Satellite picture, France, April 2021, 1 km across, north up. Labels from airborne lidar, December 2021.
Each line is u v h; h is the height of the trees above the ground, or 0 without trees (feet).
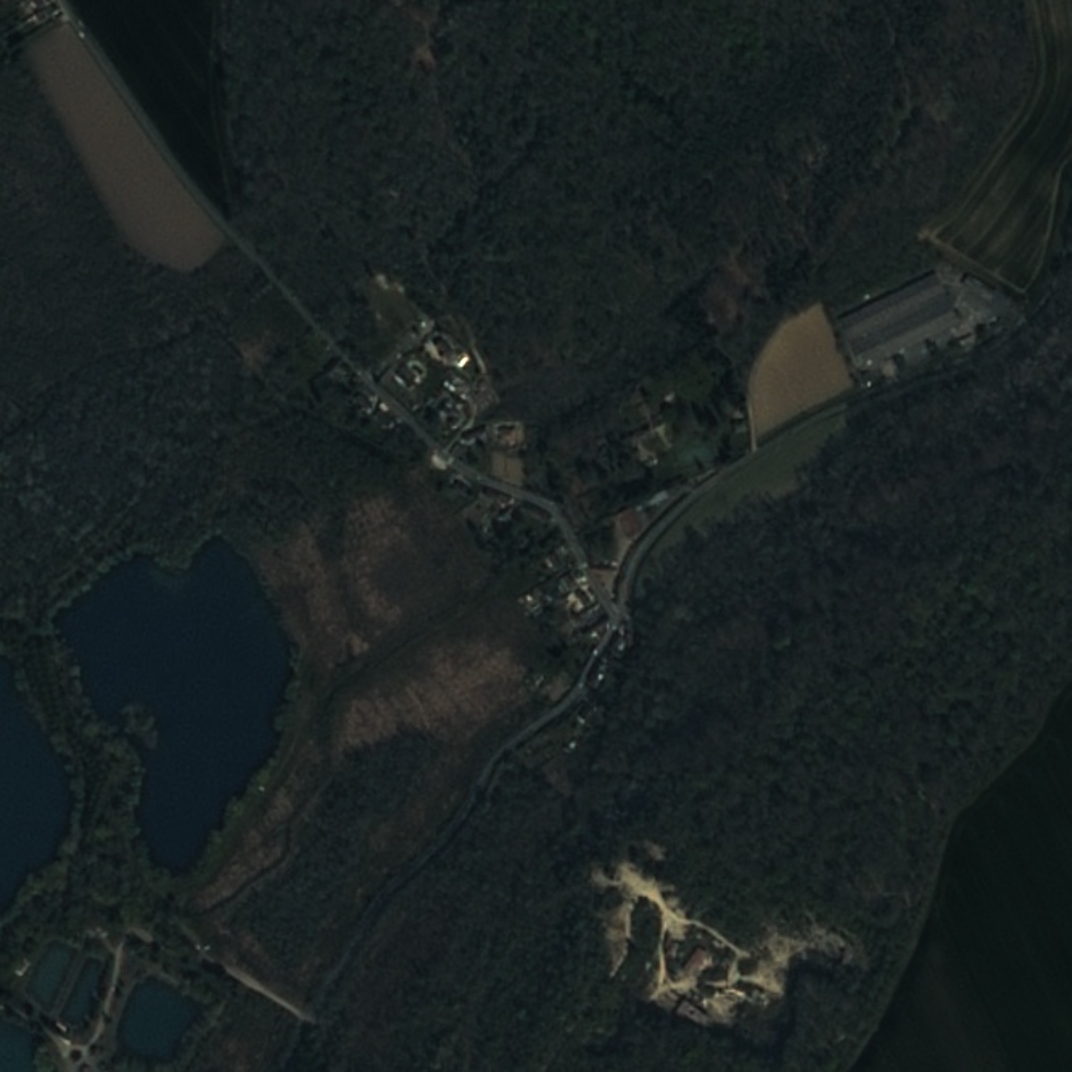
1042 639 70
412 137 48
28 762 0
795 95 60
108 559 49
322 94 65
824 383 0
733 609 58
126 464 65
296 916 38
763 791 85
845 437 0
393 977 41
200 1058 36
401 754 53
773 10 25
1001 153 0
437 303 21
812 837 58
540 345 72
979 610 56
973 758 103
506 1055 33
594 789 41
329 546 27
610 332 29
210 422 51
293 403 63
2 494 32
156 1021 0
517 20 62
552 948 39
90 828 75
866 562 102
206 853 58
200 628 0
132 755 52
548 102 55
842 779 110
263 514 75
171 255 0
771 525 68
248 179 87
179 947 63
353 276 59
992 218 0
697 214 49
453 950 32
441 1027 44
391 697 0
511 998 31
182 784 0
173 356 65
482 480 0
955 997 0
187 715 0
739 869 51
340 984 28
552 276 75
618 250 52
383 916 41
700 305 73
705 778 90
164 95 0
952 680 66
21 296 21
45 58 0
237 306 29
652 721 70
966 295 0
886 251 79
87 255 21
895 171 53
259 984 0
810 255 80
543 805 62
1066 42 0
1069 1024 0
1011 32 98
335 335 72
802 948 0
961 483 102
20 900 33
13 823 0
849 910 89
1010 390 70
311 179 63
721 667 60
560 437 108
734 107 65
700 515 0
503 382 63
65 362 33
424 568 0
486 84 25
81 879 27
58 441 59
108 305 20
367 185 59
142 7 0
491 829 25
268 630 0
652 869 39
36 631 29
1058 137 0
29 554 76
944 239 0
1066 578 84
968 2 84
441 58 58
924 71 61
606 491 20
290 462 22
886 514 80
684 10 73
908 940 61
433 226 24
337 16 23
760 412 0
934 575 69
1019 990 0
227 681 0
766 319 49
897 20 56
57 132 41
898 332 0
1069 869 0
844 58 58
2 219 24
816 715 66
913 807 97
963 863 0
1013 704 83
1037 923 0
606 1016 60
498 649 0
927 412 85
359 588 0
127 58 0
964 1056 0
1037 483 88
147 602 0
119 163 0
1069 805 0
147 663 0
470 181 56
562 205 36
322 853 60
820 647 101
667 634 98
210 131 0
